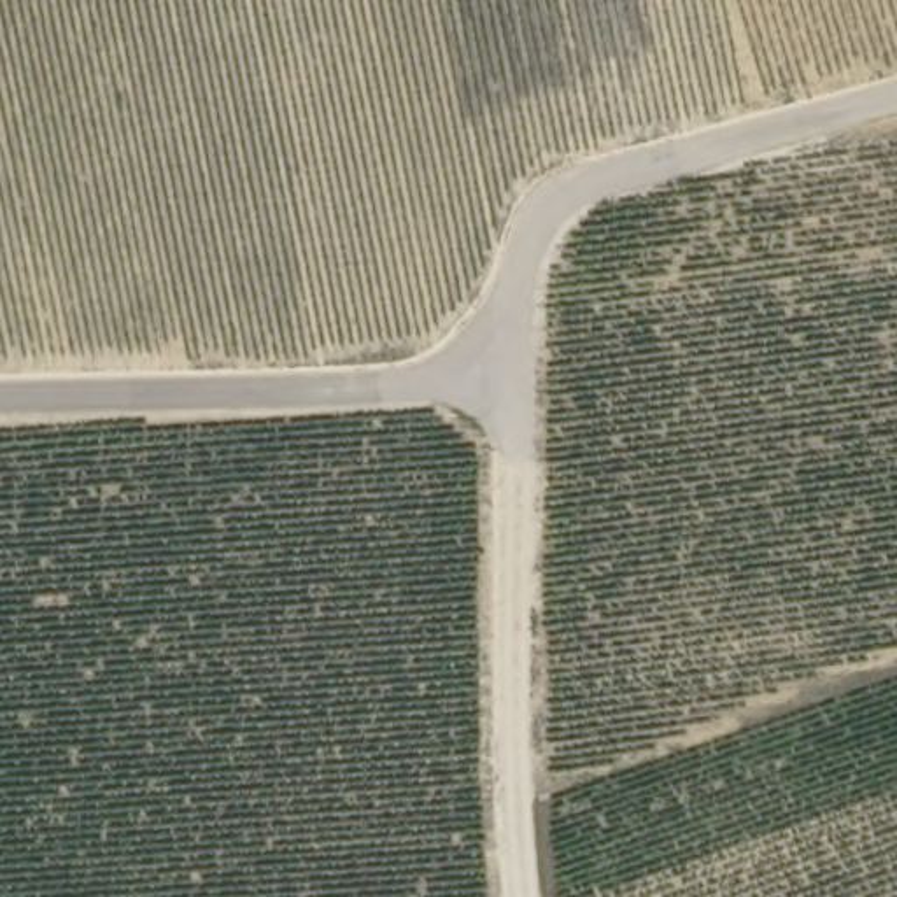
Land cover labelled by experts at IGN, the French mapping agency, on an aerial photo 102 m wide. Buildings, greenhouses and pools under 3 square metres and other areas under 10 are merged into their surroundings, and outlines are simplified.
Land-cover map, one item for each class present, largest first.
<instances>
[{"label":"vineyard","instance_id":"1","mask_svg":"<svg viewBox=\"0 0 897 897\"><path fill-rule=\"evenodd\" d=\"M897 74V0H0V382L291 378L347 375V368L350 375H375L385 368L382 361H403L424 350L431 343V329L449 312L477 298L480 277L491 263V245L501 238V228L512 214V203H505V196L512 193L515 179L550 175L568 165V151H599L603 137H610L617 147H634L680 130V119H725L736 109L750 112L785 105L816 91H837L848 84ZM550 361L547 375L536 385V403L547 410L543 456V606L529 617V708L536 757L533 830L540 897H897V137H890L886 144H869L858 126L844 130L816 151L746 161L736 172L680 175L662 182V189L655 193L606 200L568 235L557 263L550 266L547 284ZM221 413L228 420H217L210 406H161L147 410L140 420H102L95 410H0V897H498V883H487V823L477 771L480 470H487L491 456L484 424L452 403H441L438 410L413 406L308 417H284V406H224Z\"/></svg>","mask_w":897,"mask_h":897},{"label":"impervious surface","instance_id":"2","mask_svg":"<svg viewBox=\"0 0 897 897\"><path fill-rule=\"evenodd\" d=\"M897 116V74L848 84L837 91H816L785 105L750 112L736 109L725 119H680V130L634 147H617L610 137H603L599 151H568V165L550 175L515 179L512 193L505 196V203H512V214L501 228V238L491 245V263L480 277L477 298L449 312L431 329V343L424 350L403 361H382L385 368L375 375H350L347 368V375L291 378L0 382V410H95L102 420H140L147 410L161 406H210L217 420H228L221 413L224 406H284V417H308L413 406L438 410L441 403H452L484 424L491 456H543L547 410L536 403V385L547 375L550 361L547 284L550 266L557 263L568 235L606 200L655 193L662 189V182L680 175L736 172L746 161L816 151L844 130L858 126L869 119Z\"/></svg>","mask_w":897,"mask_h":897},{"label":"pervious surface","instance_id":"3","mask_svg":"<svg viewBox=\"0 0 897 897\"><path fill-rule=\"evenodd\" d=\"M543 456H491L487 470H480L477 771L487 823V883H498V897H540L533 830L536 757L529 708V617L543 606Z\"/></svg>","mask_w":897,"mask_h":897},{"label":"herbaceous vegetation","instance_id":"4","mask_svg":"<svg viewBox=\"0 0 897 897\"><path fill-rule=\"evenodd\" d=\"M869 144H886L890 137H897V116L869 119L858 126Z\"/></svg>","mask_w":897,"mask_h":897}]
</instances>
